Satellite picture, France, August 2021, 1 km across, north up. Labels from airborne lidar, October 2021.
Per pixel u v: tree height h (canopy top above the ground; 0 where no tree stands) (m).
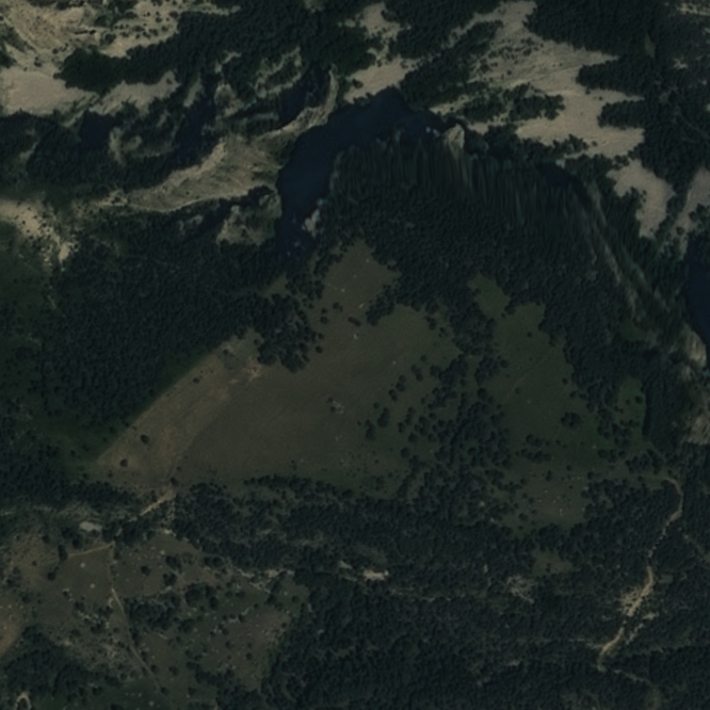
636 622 11
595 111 0
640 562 10
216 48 10
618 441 14
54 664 18
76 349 8
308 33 23
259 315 13
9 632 0
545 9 18
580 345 19
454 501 10
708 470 17
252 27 7
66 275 6
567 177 9
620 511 11
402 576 14
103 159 6
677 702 7
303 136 7
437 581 5
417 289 13
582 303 21
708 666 12
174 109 11
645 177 0
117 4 10
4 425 6
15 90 0
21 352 8
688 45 7
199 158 6
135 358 11
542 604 11
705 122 16
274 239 8
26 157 0
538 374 0
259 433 0
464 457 6
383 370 0
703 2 9
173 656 0
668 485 10
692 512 12
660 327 14
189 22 16
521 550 14
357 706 11
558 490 0
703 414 9
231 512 7
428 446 0
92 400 10
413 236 15
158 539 0
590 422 0
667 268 10
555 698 8
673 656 16
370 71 0
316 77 11
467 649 15
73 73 8
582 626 7
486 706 7
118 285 7
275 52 15
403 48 22
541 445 8
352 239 7
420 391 0
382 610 12
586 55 0
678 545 11
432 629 11
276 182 0
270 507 13
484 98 8
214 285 6
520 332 0
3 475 10
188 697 0
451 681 16
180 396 0
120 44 0
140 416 0
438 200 16
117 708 19
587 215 9
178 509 10
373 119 13
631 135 0
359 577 8
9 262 0
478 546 10
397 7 20
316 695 17
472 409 8
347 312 0
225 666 0
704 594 11
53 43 0
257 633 0
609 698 7
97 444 0
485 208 14
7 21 0
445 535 6
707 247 14
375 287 0
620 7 22
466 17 13
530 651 10
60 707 0
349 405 0
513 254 15
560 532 12
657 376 9
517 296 10
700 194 0
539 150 17
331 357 0
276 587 12
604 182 13
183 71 14
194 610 0
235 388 0
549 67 0
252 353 0
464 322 11
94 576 0
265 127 18
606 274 12
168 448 0
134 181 10
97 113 0
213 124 15
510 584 7
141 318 9
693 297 13
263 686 8
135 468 0
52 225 0
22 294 0
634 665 14
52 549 0
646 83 13
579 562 8
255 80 8
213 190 0
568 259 13
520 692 7
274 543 10
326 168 0
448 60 8
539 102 18
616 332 10
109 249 6
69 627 0
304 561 11
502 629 9
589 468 0
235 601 0
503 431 9
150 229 11
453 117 6
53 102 0
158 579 0
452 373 11
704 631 11
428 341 0
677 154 24
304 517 15
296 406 0
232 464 0
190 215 7
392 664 12
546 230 15
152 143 9
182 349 10
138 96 0
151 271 9
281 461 0
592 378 10
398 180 10
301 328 18
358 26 6
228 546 14
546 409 0
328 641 19
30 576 0
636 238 14
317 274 12
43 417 0
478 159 23
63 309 9
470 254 16
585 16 12
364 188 12
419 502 15
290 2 12
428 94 7
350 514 6
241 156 0
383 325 0
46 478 9
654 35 27
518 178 11
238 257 6
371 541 7
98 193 10
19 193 0
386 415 7
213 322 13
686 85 15
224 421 0
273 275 9
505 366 8
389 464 0
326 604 21
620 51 13
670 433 8
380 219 6
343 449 0
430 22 20
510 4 0
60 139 10
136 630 7
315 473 0
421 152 10
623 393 0
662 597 7
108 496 12
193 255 9
